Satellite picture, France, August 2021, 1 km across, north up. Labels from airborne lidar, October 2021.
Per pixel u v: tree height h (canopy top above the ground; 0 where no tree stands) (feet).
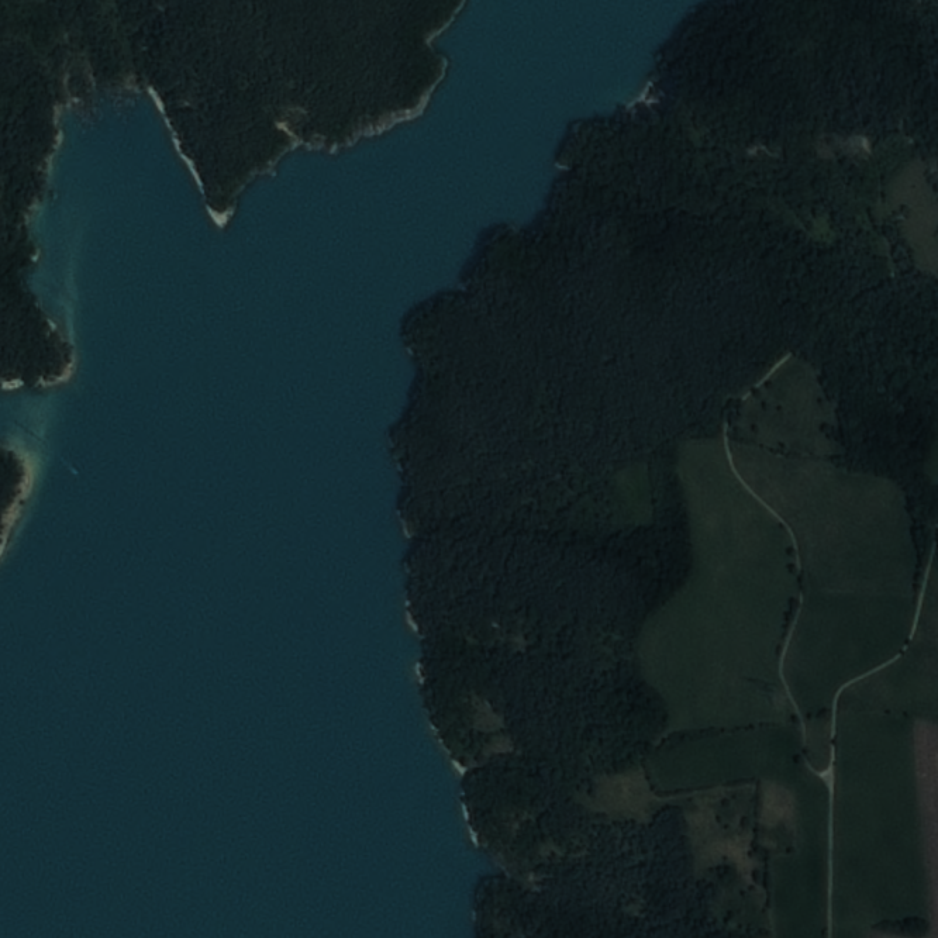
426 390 60
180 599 0
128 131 0
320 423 0
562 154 48
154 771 0
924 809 0
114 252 0
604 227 39
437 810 0
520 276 55
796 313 58
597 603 28
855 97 24
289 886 0
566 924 57
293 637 0
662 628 0
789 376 0
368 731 0
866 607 0
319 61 30
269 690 0
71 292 0
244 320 0
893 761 0
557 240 67
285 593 0
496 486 30
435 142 0
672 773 0
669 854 46
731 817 0
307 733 0
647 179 43
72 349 28
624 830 31
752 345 38
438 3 39
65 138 0
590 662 30
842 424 38
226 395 0
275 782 0
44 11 31
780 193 27
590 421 29
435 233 0
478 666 53
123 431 0
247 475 0
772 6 62
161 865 0
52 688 0
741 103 38
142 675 0
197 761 0
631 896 26
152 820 0
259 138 23
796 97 53
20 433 0
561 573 45
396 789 0
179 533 0
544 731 30
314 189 0
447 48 0
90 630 0
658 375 26
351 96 24
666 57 65
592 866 36
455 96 0
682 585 22
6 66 43
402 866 0
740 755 0
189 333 0
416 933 0
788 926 0
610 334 35
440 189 0
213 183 30
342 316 0
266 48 27
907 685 0
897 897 0
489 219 0
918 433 68
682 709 0
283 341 0
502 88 0
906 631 0
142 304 0
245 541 0
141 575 0
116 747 0
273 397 0
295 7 36
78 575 0
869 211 32
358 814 0
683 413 38
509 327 31
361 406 0
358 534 0
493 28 0
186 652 0
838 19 51
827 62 50
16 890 0
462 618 30
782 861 0
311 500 0
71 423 0
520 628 20
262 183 0
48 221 0
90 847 0
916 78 49
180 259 0
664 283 48
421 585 32
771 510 0
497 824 34
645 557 38
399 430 50
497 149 0
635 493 0
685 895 40
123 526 0
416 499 37
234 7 29
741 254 48
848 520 0
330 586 0
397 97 31
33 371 37
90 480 0
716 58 66
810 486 0
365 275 0
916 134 41
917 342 56
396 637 0
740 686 0
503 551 45
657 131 50
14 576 0
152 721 0
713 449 0
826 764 0
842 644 0
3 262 37
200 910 0
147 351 0
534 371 41
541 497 38
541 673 42
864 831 0
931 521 55
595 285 39
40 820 0
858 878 0
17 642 0
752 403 0
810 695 0
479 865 0
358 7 32
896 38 61
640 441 32
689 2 0
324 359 0
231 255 0
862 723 0
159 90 27
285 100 22
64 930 0
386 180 0
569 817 37
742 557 0
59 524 0
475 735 30
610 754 28
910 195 0
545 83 0
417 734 0
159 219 0
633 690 37
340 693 0
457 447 27
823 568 0
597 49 0
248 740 0
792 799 0
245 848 0
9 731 0
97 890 0
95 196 0
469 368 34
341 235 0
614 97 0
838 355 66
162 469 0
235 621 0
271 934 0
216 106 30
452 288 0
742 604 0
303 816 0
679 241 61
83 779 0
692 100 33
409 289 0
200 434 0
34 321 36
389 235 0
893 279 35
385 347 0
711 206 43
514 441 32
